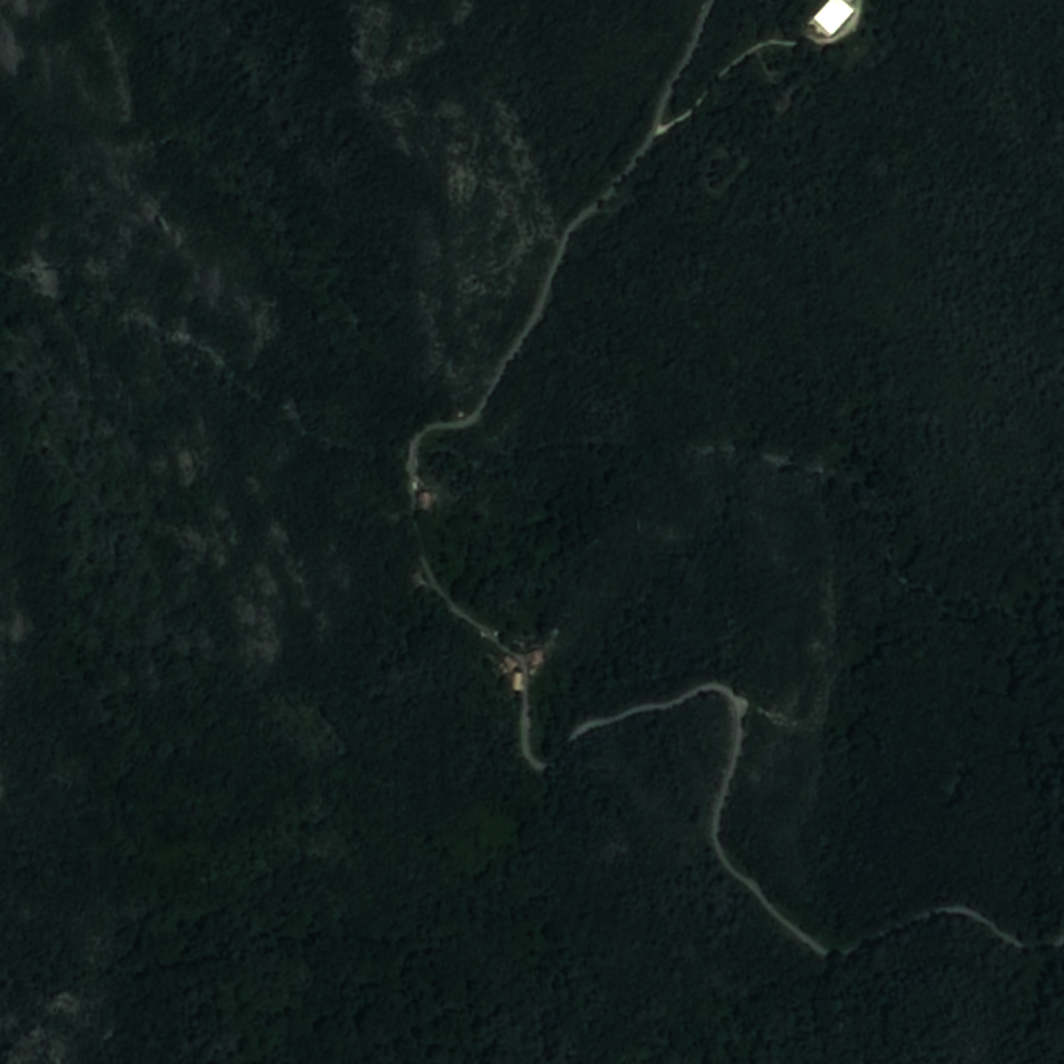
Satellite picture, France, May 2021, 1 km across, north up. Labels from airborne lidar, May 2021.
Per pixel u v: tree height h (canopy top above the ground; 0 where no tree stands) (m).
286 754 13
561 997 17
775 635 7
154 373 9
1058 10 9
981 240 19
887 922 18
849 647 13
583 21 15
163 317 10
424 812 20
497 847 7
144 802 17
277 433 7
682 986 12
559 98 15
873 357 12
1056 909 15
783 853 7
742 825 16
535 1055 18
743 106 8
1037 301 13
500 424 8
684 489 11
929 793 17
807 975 12
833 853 20
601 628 15
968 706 18
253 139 17
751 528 7
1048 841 20
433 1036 23
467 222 7
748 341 15
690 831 6
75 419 17
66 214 11
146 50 10
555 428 22
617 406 20
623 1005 13
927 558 17
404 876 13
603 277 13
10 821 7
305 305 16
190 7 20
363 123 12
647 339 12
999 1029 11
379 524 11
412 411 15
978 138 14
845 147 7
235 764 16
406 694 7
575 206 7
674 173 14
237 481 11
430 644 20
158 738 11
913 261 10
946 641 17
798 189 11
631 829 8
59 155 13
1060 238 15
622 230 15
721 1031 20
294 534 14
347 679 20
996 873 17
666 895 15
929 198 15
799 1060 18
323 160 13
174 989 19
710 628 9
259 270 6
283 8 17
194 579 19
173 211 12
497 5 17
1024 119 10
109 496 27
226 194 10
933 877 14
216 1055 25
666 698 13
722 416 19
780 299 16
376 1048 22
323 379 11
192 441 7
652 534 7
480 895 15
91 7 9
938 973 18
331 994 17
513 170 8
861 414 15
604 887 8
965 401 7
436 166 6
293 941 20
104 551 24
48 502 20
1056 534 21
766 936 11
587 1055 14
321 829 13
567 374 14
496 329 6
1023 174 15
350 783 14
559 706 17
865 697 23
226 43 10
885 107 15
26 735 14
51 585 12
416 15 13
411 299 10
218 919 23
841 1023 10
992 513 10
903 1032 12
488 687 7
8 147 14
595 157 9
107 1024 10
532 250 6
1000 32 15
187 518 16
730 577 9
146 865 15
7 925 14
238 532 12
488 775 19
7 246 15
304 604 8
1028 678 21
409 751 18
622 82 10
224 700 16
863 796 23
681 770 11
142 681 10
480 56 18
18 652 9
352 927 25
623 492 21
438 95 8
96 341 11
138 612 8
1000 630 24
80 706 26
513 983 17
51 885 13
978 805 18
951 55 17
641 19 14
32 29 7
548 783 9
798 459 15
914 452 6
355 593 7
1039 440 6
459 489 6
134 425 17
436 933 16
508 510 5
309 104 13
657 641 14
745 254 8
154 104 17
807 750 7
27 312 14
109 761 21
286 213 19
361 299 10
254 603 11
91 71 9
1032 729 22
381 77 16
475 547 17
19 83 5
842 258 9
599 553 12
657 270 14
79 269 10
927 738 14
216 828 17
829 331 10
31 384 26
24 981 23
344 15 14
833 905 20
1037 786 21
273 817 18
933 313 9
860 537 22
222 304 7
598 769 6
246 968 20
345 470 13
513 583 22
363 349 11
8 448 15
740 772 9
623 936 6
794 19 8
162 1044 18
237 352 9
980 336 11
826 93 16
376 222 15
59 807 12
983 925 13
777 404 23
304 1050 21
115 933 9
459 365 6
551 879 19
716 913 25
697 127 12
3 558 9
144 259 11
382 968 16
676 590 9
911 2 12
